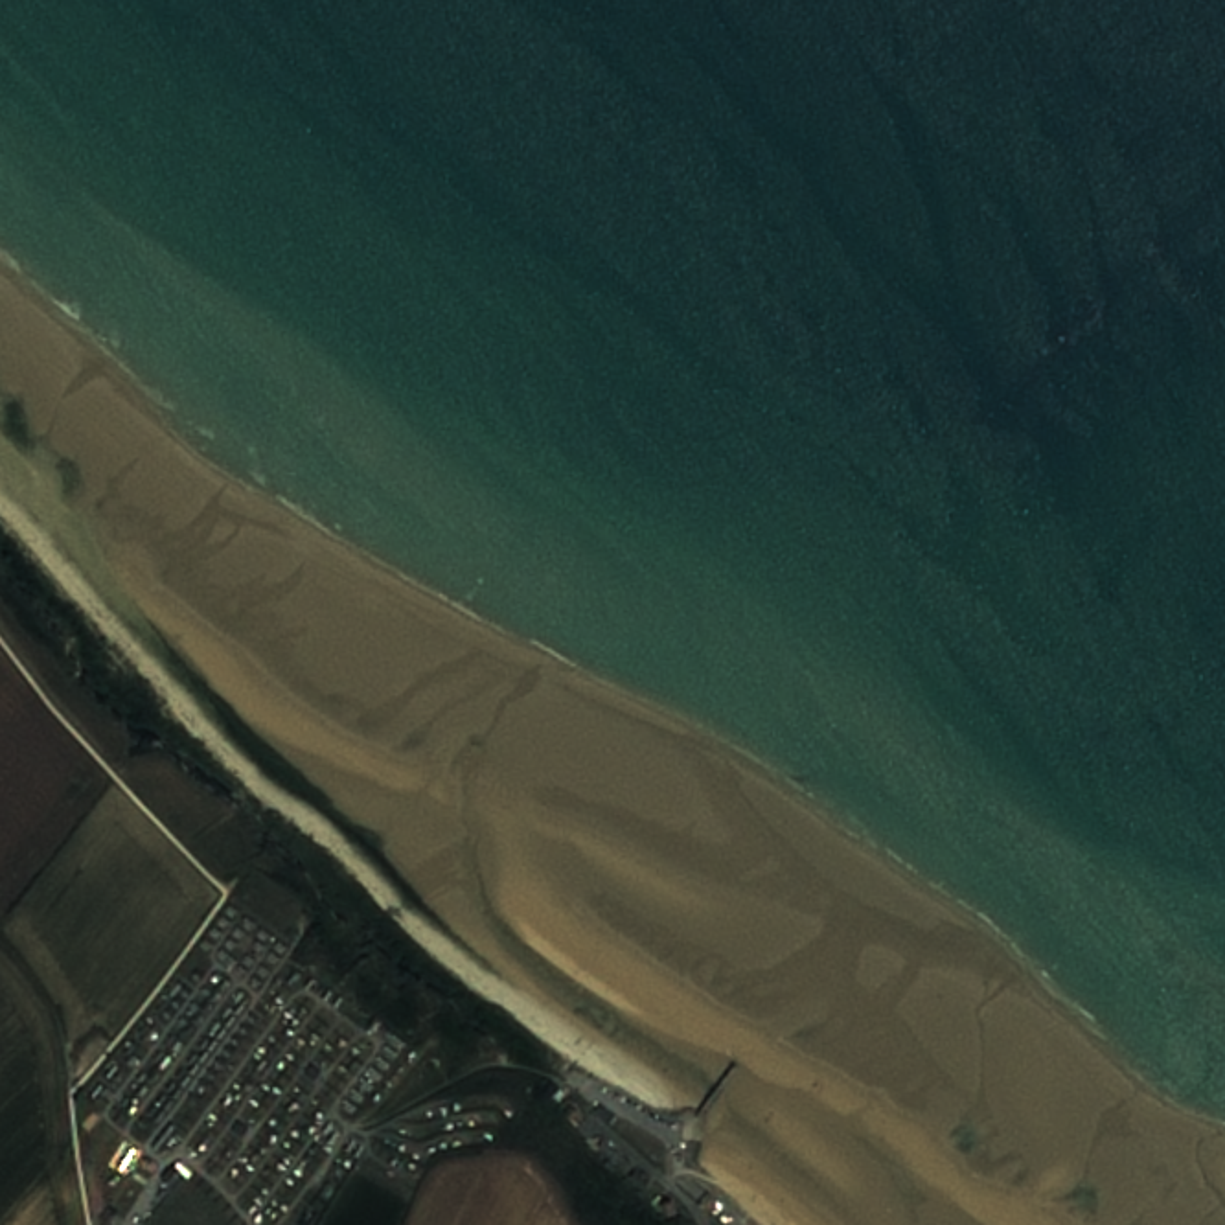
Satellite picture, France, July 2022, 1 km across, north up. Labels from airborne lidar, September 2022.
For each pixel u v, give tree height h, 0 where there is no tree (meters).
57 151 0
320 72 0
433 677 0
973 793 0
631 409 0
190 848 0
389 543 0
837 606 0
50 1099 0
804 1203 0
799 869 0
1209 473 0
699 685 0
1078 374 0
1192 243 0
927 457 0
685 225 0
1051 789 0
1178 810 0
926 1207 0
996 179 0
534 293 0
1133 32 0
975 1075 0
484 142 0
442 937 0
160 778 0
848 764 0
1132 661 0
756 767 0
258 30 0
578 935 0
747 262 0
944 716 0
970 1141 0
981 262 0
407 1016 0
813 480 0
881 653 0
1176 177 0
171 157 0
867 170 0
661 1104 0
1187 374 0
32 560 0
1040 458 0
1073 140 0
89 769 0
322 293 0
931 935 0
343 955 0
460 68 0
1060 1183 0
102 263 0
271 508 0
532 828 0
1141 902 0
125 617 0
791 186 0
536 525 0
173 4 0
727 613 0
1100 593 0
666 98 0
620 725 0
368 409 0
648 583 0
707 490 0
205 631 0
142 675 0
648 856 0
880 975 0
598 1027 0
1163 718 0
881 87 0
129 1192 0
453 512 0
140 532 0
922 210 0
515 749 0
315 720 0
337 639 0
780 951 0
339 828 0
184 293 0
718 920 0
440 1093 0
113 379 0
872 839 0
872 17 0
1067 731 0
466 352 0
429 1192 0
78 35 0
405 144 0
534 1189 0
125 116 0
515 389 0
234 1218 0
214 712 0
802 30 0
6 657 0
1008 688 0
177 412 0
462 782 0
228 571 0
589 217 0
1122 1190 0
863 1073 0
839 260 0
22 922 0
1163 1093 0
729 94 0
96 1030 0
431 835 0
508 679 0
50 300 0
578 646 0
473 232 0
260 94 0
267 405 0
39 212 0
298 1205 0
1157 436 0
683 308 0
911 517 0
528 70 0
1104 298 0
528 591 0
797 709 0
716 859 0
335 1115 0
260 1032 0
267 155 0
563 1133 0
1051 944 0
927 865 0
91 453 0
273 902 0
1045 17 0
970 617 0
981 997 0
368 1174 0
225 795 16
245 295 0
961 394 0
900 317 0
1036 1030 0
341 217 0
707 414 0
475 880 0
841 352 0
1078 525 0
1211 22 0
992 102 0
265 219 0
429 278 0
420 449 0
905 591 0
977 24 0
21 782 0
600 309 0
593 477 0
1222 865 0
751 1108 0
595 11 0
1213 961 0
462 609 0
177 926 0
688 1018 0
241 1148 0
